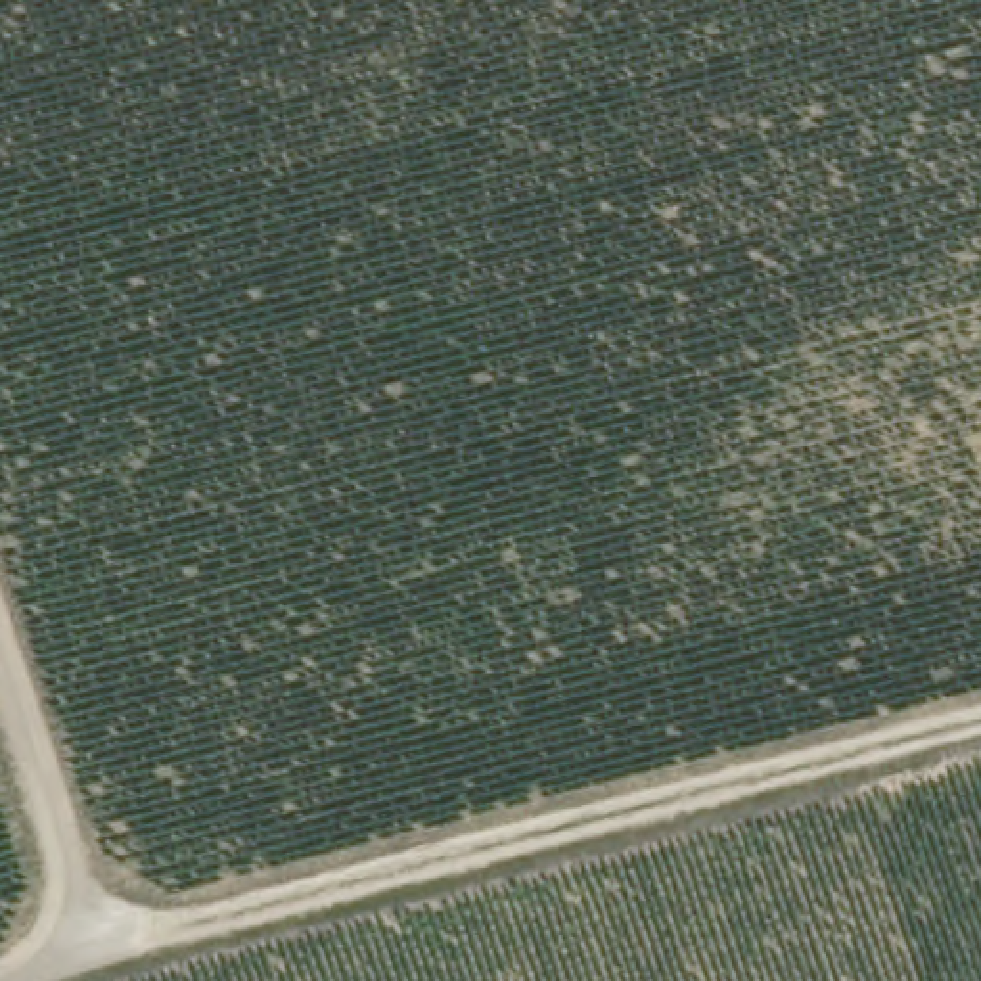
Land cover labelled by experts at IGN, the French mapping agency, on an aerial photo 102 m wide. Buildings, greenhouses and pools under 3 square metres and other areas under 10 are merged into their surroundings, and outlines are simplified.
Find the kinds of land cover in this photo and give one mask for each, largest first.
<instances>
[{"label":"vineyard","instance_id":"1","mask_svg":"<svg viewBox=\"0 0 981 981\"><path fill-rule=\"evenodd\" d=\"M0 586L11 602L15 628L23 632L31 671L42 690V709L50 717V736L57 743V759L69 766L73 778L69 786L80 816V835L84 843H92L88 874L100 881L103 893L142 908H192L230 901L249 889H268L280 881L310 878L318 870L433 843L448 832H475L487 824L540 816L563 805L636 789L644 782L640 774L667 770L674 763L709 759L717 751H755L766 743H782L789 736L866 720L878 709L904 713L939 697H962L981 690V0H0ZM42 912V851L34 824L23 809V789L0 728V950L4 939H23ZM92 981H981V736L828 774L816 782L751 793L671 820L517 855L479 870L383 889L333 908L161 947L138 958L111 962Z\"/></svg>","mask_w":981,"mask_h":981},{"label":"pervious surface","instance_id":"2","mask_svg":"<svg viewBox=\"0 0 981 981\"><path fill-rule=\"evenodd\" d=\"M0 728L23 789V809L34 824L42 851V912L23 939H4L0 950V981H92L111 962L138 958L161 947L333 908L383 889L479 870L517 855L671 820L751 793L816 782L828 774L981 736V690L962 697H939L904 713L878 709L866 720L789 736L782 743H766L755 751H717L709 759L674 763L667 770L640 774L644 782L636 789L563 805L540 816L487 824L475 832H448L433 843L318 870L310 878L280 881L268 889H249L230 901L192 908H142L103 893L100 881L88 874L92 843H84L80 835V816L69 786L73 778L69 766L57 759V743L50 736V717L42 709V690L31 671L23 632L15 628L11 602L0 586Z\"/></svg>","mask_w":981,"mask_h":981}]
</instances>
